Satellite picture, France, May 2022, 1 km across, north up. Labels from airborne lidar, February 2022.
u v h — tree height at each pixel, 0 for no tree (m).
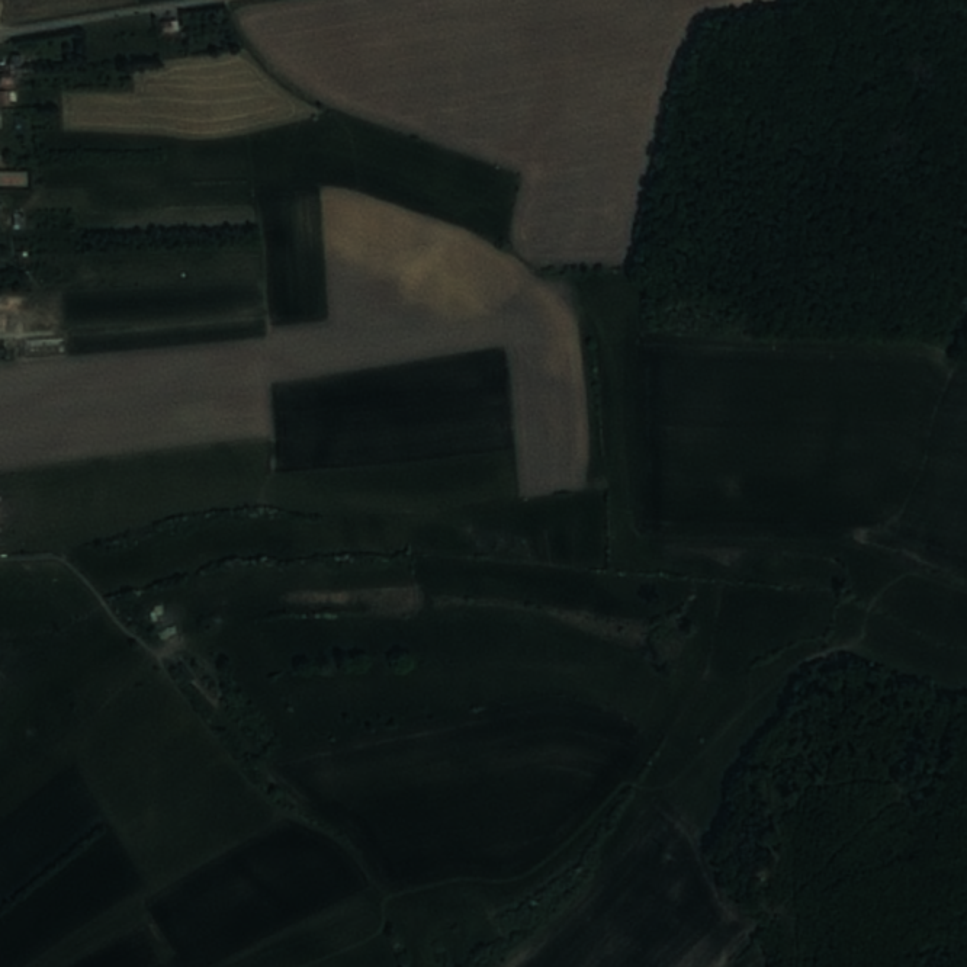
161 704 0
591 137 0
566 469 0
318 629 0
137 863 0
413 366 0
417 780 0
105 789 0
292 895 0
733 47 22
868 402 0
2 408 0
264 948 0
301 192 0
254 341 0
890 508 0
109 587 0
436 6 0
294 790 0
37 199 0
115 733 0
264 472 0
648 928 0
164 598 0
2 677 0
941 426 0
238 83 0
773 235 20
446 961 12
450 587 0
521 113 0
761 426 0
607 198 0
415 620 0
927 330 20
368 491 0
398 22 0
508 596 0
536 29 0
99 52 0
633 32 0
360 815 0
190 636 0
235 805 0
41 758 0
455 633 0
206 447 0
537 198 0
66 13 0
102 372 0
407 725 0
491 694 0
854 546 0
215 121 0
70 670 0
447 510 0
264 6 0
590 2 0
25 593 0
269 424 0
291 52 0
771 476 0
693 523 0
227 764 0
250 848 0
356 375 0
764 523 0
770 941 9
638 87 0
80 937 0
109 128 0
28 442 0
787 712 19
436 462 0
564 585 0
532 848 0
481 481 0
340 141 0
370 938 0
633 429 0
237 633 0
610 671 0
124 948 0
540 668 0
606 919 0
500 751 0
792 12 22
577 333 0
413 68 0
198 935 0
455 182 0
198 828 0
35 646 0
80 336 0
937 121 21
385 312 0
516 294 0
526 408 0
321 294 0
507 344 0
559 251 0
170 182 0
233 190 0
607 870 0
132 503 0
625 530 0
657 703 0
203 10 9
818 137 22
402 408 0
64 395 0
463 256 0
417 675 0
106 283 0
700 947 0
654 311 12
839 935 14
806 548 0
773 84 22
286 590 0
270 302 0
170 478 0
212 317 0
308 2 0
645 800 0
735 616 0
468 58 0
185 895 0
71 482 0
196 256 0
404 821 0
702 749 0
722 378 0
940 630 0
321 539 0
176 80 0
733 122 26
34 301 0
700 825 0
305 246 0
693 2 0
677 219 23
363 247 0
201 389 0
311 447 0
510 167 0
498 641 0
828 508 0
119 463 0
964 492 0
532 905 8
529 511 0
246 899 0
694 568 0
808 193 25
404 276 0
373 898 0
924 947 11
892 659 0
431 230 0
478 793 0
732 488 0
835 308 23
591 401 0
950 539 0
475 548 0
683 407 0
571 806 0
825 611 0
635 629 0
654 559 0
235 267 0
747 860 18
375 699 0
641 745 0
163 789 0
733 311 8
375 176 0
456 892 0
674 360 0
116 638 0
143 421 0
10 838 0
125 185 0
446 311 0
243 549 0
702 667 0
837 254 23
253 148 0
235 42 7
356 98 0
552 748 0
